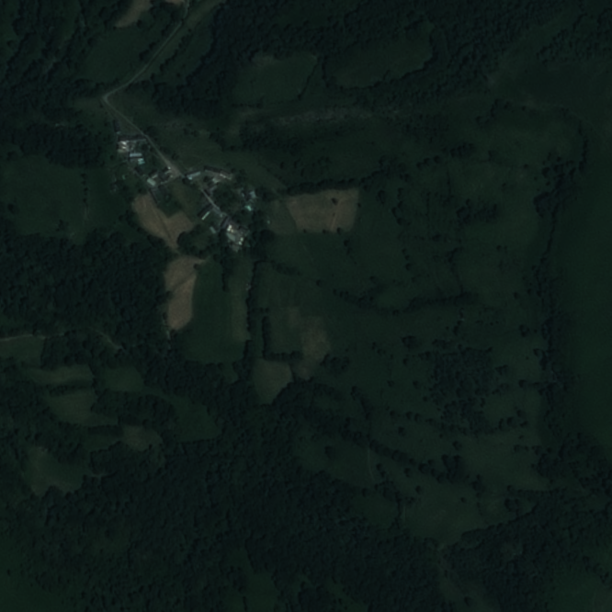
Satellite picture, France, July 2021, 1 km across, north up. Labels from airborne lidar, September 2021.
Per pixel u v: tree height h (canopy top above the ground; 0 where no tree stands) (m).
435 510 0
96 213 0
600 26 11
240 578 21
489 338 0
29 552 9
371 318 0
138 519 18
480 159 0
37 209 0
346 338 0
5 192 0
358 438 18
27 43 14
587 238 0
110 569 12
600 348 0
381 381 0
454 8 18
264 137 6
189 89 17
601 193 0
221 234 11
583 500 7
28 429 6
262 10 23
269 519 17
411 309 8
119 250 12
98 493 12
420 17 7
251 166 0
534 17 14
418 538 10
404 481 0
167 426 21
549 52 11
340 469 0
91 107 0
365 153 0
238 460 24
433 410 0
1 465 16
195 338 0
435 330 0
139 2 0
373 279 13
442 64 19
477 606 0
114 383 0
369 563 28
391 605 23
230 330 0
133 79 0
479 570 15
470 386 19
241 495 13
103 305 21
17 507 17
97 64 0
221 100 7
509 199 0
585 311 0
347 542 28
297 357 16
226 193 9
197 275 0
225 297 0
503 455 0
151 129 11
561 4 12
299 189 10
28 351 0
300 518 22
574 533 11
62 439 14
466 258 0
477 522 0
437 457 0
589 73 0
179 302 0
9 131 16
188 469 29
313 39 12
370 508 0
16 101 11
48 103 10
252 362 17
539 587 15
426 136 9
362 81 0
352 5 6
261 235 12
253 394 15
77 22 10
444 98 10
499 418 0
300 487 17
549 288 15
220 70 16
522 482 0
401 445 0
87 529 23
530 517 17
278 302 0
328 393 8
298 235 0
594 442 8
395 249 0
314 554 24
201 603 16
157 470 17
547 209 20
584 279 0
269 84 0
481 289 0
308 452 0
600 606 0
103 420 0
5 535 7
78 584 9
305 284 0
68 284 25
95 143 12
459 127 0
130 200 8
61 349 10
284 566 22
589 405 0
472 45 9
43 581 16
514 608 22
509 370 13
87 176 11
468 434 14
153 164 6
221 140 16
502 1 10
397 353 0
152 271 19
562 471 14
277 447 8
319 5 7
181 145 0
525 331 10
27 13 21
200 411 0
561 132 0
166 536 24
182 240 14
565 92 0
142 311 17
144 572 10
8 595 0
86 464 7
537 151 0
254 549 22
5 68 9
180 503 25
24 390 10
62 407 0
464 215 16
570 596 0
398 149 0
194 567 26
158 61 0
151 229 0
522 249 0
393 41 11
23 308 21
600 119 0
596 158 0
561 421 8
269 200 10
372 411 13
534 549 17
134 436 0
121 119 0
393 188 0
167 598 23
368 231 0
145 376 10
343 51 14
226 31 22
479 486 16
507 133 0
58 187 0
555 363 20
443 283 0
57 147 26
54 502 23
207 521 22
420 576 24
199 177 0
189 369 19
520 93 0
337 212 0
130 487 19
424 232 0
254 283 10
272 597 0
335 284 0
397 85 18
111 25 13
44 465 0
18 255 27
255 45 18
